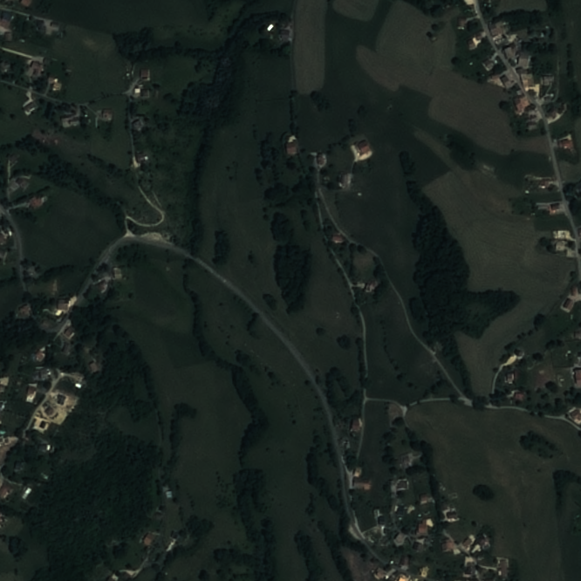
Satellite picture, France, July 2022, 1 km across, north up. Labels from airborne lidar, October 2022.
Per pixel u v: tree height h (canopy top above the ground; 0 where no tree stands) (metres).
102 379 12
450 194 0
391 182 0
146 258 7
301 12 0
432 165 0
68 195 0
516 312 0
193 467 0
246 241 0
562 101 6
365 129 0
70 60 0
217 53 13
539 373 0
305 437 0
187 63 0
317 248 0
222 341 0
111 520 10
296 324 0
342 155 0
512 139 0
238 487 10
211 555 0
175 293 0
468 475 0
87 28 0
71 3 0
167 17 0
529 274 0
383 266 12
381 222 0
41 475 0
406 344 0
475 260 0
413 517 0
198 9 0
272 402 0
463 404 0
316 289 0
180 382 0
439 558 0
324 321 0
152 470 19
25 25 8
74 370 16
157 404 13
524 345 0
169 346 0
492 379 0
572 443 0
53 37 0
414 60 0
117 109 0
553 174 0
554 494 0
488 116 0
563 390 0
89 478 11
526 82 0
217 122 16
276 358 0
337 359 0
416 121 0
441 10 20
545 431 0
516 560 0
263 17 11
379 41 0
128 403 10
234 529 0
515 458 0
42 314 7
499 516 0
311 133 0
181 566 0
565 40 0
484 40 9
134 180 7
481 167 0
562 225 0
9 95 0
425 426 0
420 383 0
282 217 19
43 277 6
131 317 0
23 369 8
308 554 16
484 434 0
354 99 0
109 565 9
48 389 11
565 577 0
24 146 15
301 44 0
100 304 13
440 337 17
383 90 0
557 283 0
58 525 9
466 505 0
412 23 0
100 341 15
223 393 0
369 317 0
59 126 10
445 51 0
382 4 0
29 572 0
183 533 13
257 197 0
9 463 9
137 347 24
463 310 8
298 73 0
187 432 0
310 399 0
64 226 0
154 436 0
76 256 0
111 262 0
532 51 15
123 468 11
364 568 0
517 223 0
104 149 0
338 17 0
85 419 6
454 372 0
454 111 0
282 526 0
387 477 0
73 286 0
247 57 0
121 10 0
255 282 0
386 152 0
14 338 21
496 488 0
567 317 0
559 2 8
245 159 0
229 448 0
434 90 0
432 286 23
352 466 13
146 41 12
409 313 0
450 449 0
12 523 0
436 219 25
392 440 11
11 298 0
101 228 0
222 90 26
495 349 0
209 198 0
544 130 8
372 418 0
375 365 0
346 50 0
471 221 0
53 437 9
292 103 6
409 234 0
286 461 0
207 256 0
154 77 0
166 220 0
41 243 0
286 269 20
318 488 18
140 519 14
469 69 0
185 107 19
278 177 10
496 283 0
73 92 0
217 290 0
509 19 19
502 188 0
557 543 0
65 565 14
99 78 0
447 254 25
